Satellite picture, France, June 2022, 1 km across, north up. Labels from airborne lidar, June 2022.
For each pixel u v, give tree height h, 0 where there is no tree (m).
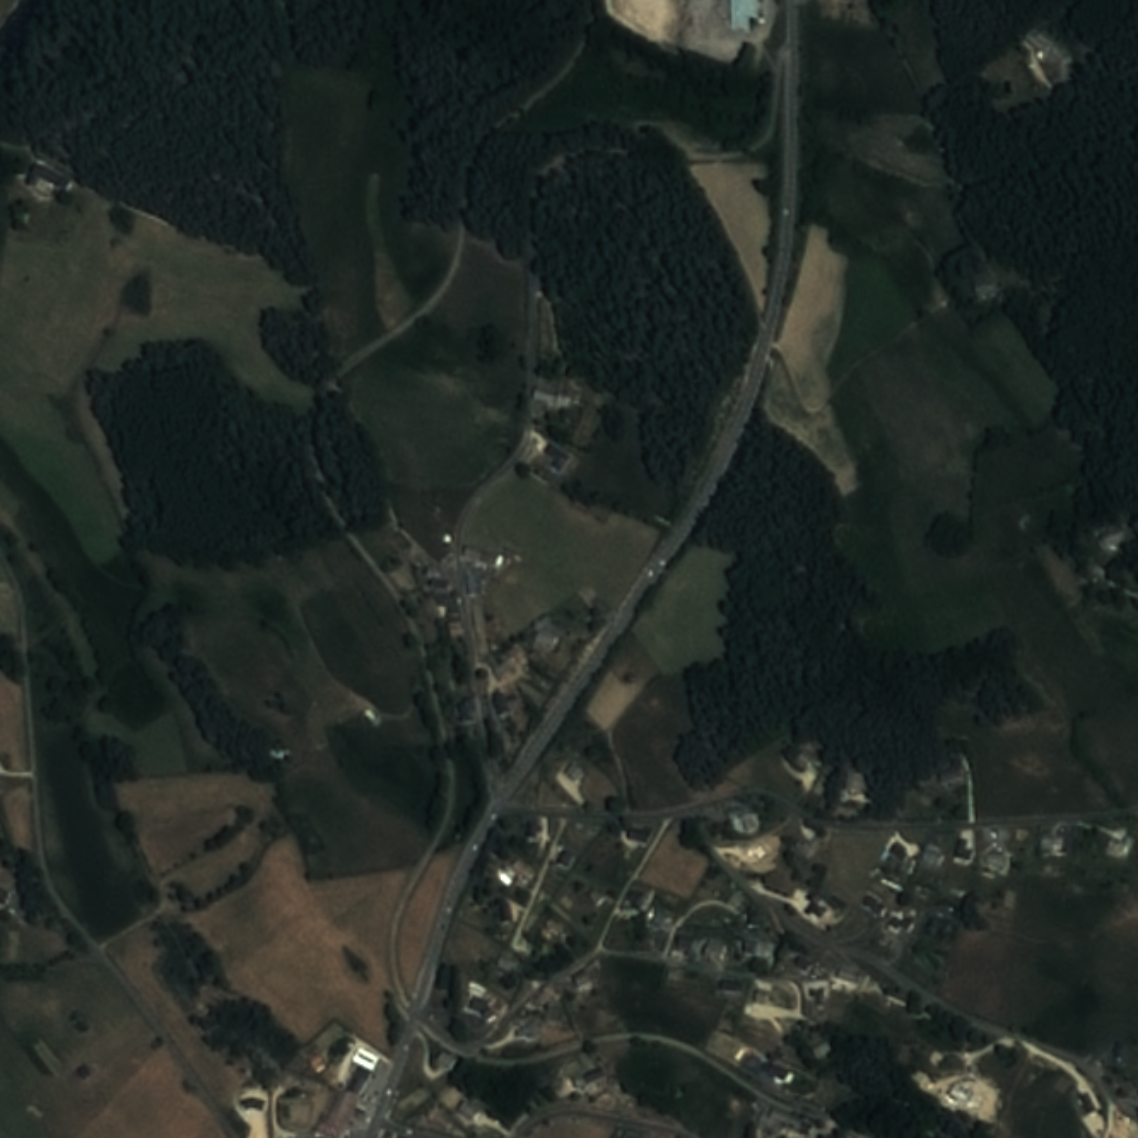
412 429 0
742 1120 0
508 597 0
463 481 0
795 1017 0
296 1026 0
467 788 0
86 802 0
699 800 0
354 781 0
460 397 0
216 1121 0
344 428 24
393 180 0
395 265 0
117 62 26
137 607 8
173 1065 0
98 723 0
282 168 19
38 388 0
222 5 32
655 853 0
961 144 18
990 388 0
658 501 0
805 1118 9
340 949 0
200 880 0
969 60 21
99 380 16
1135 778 0
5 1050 0
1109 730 0
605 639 0
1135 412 26
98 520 0
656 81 10
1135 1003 0
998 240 15
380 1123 0
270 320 18
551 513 0
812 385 0
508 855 15
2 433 0
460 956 0
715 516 20
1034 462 0
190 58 25
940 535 7
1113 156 26
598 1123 0
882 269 0
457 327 0
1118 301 21
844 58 0
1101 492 17
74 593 7
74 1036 0
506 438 0
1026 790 0
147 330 0
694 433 24
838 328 0
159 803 0
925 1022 9
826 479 16
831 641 19
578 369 12
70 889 0
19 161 11
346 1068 0
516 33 21
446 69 27
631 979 0
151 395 23
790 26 0
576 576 0
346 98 0
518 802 0
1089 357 25
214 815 0
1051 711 0
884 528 0
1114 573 12
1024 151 21
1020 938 0
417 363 0
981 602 0
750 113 6
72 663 12
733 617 13
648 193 26
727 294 31
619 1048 0
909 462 0
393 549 0
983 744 0
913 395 0
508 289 0
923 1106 10
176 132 20
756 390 0
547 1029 0
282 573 0
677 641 0
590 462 0
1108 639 0
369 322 0
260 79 29
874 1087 18
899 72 0
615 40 16
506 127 7
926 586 0
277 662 0
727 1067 0
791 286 9
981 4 15
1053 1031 0
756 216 0
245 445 22
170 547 23
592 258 23
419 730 0
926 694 19
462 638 7
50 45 36
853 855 0
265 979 0
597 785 0
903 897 12
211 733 21
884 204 0
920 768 17
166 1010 0
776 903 0
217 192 21
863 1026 0
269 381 0
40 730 0
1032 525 0
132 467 20
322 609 0
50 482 0
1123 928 0
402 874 0
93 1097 0
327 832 0
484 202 22
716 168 0
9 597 0
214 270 0
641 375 17
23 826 0
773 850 0
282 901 0
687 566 0
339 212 0
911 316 0
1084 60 0
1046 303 8
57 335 0
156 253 0
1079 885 0
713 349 22
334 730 0
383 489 19
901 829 0
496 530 0
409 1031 0
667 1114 10
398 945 0
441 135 13
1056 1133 0
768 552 18
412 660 0
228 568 22
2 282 0
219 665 0
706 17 0
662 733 0
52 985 0
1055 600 0
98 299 0
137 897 0
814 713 22
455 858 0
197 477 21
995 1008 0
